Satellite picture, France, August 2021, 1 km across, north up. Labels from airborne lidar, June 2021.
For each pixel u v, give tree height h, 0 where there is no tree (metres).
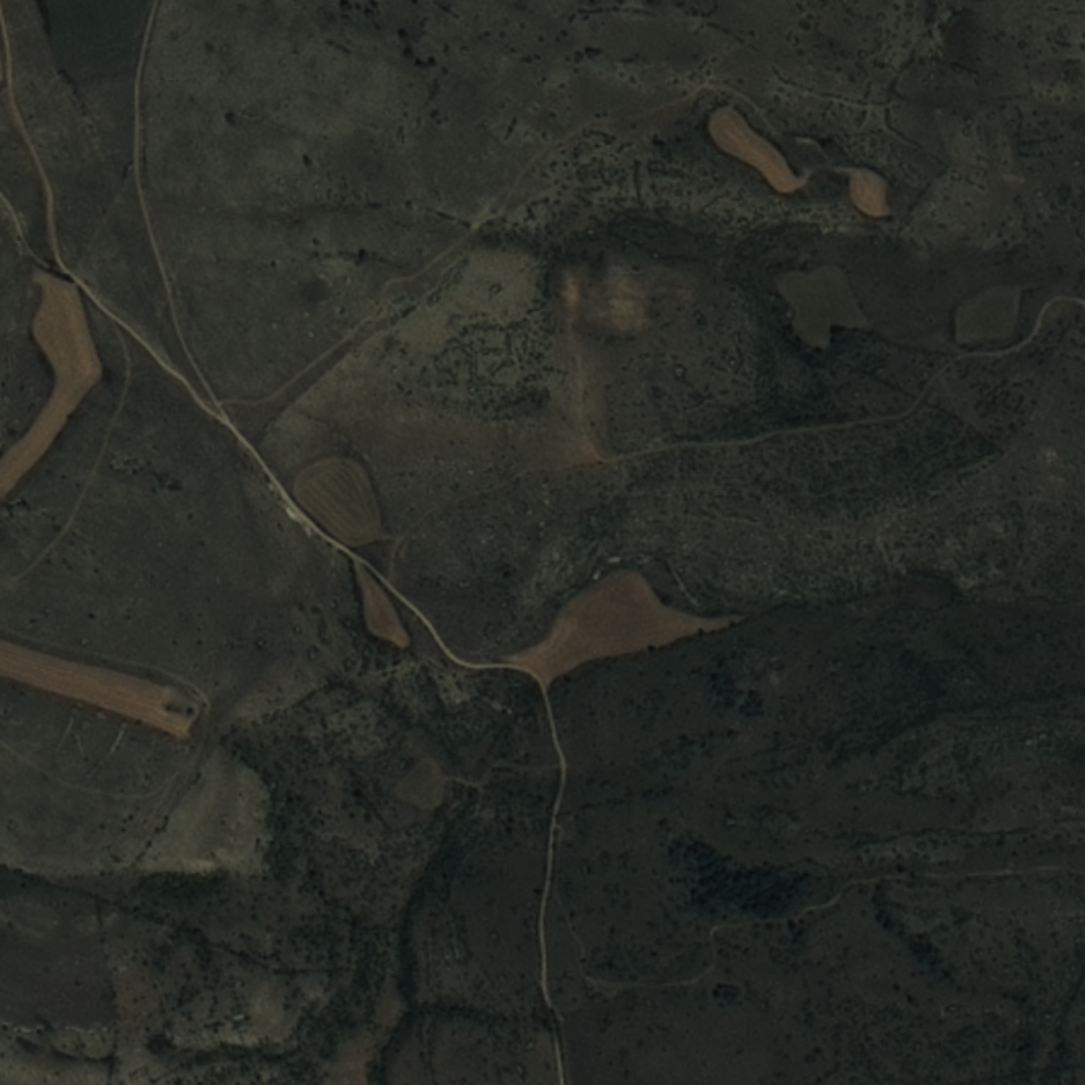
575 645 0
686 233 0
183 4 0
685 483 0
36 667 0
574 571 0
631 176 0
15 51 0
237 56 0
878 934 0
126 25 0
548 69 0
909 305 0
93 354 0
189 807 0
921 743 0
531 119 0
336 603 0
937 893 0
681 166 0
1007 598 0
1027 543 0
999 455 0
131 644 0
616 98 0
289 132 0
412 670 0
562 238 0
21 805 0
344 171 0
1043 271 0
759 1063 0
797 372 0
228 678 0
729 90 0
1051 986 0
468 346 0
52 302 0
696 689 0
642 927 0
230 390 0
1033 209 0
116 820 0
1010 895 0
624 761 0
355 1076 0
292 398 0
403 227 0
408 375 0
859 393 0
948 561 0
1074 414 0
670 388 0
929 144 0
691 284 0
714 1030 0
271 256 0
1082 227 0
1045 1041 0
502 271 0
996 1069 0
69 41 0
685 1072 0
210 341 0
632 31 0
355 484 0
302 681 0
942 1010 0
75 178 0
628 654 0
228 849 0
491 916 0
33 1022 0
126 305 0
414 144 0
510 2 0
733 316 0
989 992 0
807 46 0
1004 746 0
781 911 7
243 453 0
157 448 0
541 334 0
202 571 0
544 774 0
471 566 0
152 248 0
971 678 0
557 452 0
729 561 0
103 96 0
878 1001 0
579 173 0
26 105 0
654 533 0
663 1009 0
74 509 0
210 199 0
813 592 0
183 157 0
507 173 0
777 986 0
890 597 0
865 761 0
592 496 0
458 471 0
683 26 0
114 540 0
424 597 0
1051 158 0
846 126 0
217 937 0
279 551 0
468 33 0
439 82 0
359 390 0
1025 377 0
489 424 0
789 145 0
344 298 0
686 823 0
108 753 0
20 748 0
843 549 0
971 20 0
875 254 0
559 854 0
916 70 0
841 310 0
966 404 0
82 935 0
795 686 0
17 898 0
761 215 0
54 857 0
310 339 0
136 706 0
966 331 0
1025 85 0
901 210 0
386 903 0
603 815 0
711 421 0
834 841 0
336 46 0
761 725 0
